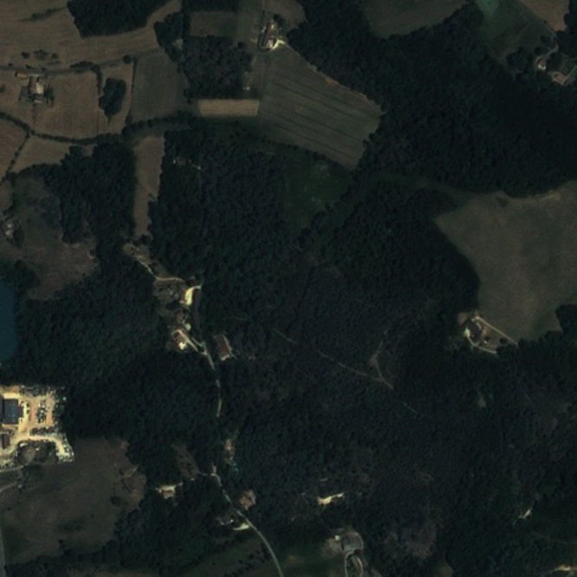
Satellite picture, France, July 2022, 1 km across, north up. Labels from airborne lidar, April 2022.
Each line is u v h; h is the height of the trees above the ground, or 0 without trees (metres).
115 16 19
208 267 20
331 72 11
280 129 0
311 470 23
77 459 0
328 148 0
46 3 0
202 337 16
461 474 6
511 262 0
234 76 19
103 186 27
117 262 11
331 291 11
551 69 18
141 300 9
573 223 0
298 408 16
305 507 13
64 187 15
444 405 9
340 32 13
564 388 24
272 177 26
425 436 10
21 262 11
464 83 22
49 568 21
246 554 0
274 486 21
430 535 0
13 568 10
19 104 0
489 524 19
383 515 10
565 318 20
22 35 0
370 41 15
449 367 7
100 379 16
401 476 8
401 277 12
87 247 0
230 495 22
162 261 14
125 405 6
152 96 0
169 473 16
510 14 0
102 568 0
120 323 21
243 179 22
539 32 0
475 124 28
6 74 0
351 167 0
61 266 0
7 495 0
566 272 0
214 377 22
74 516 0
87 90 0
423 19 0
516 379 8
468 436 15
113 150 27
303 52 10
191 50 20
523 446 13
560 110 24
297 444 12
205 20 0
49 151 0
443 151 27
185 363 25
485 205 0
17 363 11
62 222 10
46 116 0
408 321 13
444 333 19
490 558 7
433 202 18
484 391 16
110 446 0
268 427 26
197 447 16
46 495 0
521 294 0
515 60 20
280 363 9
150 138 0
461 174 22
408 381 9
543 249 0
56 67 0
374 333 13
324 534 11
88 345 15
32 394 0
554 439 19
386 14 0
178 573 8
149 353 7
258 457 22
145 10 18
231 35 0
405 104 23
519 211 0
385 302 11
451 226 0
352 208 0
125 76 0
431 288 15
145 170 0
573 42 19
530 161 28
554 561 10
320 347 13
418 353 11
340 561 0
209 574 0
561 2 0
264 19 0
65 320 21
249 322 7
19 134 0
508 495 10
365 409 11
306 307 13
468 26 25
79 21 13
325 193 0
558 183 21
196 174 8
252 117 0
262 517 7
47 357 8
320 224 26
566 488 19
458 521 18
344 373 9
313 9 20
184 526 18
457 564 19
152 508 12
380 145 10
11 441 0
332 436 12
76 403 20
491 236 0
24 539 0
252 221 21
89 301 26
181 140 13
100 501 0
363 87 12
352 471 13
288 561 0
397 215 21
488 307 0
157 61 0
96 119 0
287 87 0
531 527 13
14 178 10
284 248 24
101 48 0
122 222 9
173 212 25
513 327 0
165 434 21
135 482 0
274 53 0
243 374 10
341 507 7
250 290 26
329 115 0
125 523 17
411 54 24
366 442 10
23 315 10
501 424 6
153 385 21
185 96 10
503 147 28
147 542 16
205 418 29
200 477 13
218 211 23
